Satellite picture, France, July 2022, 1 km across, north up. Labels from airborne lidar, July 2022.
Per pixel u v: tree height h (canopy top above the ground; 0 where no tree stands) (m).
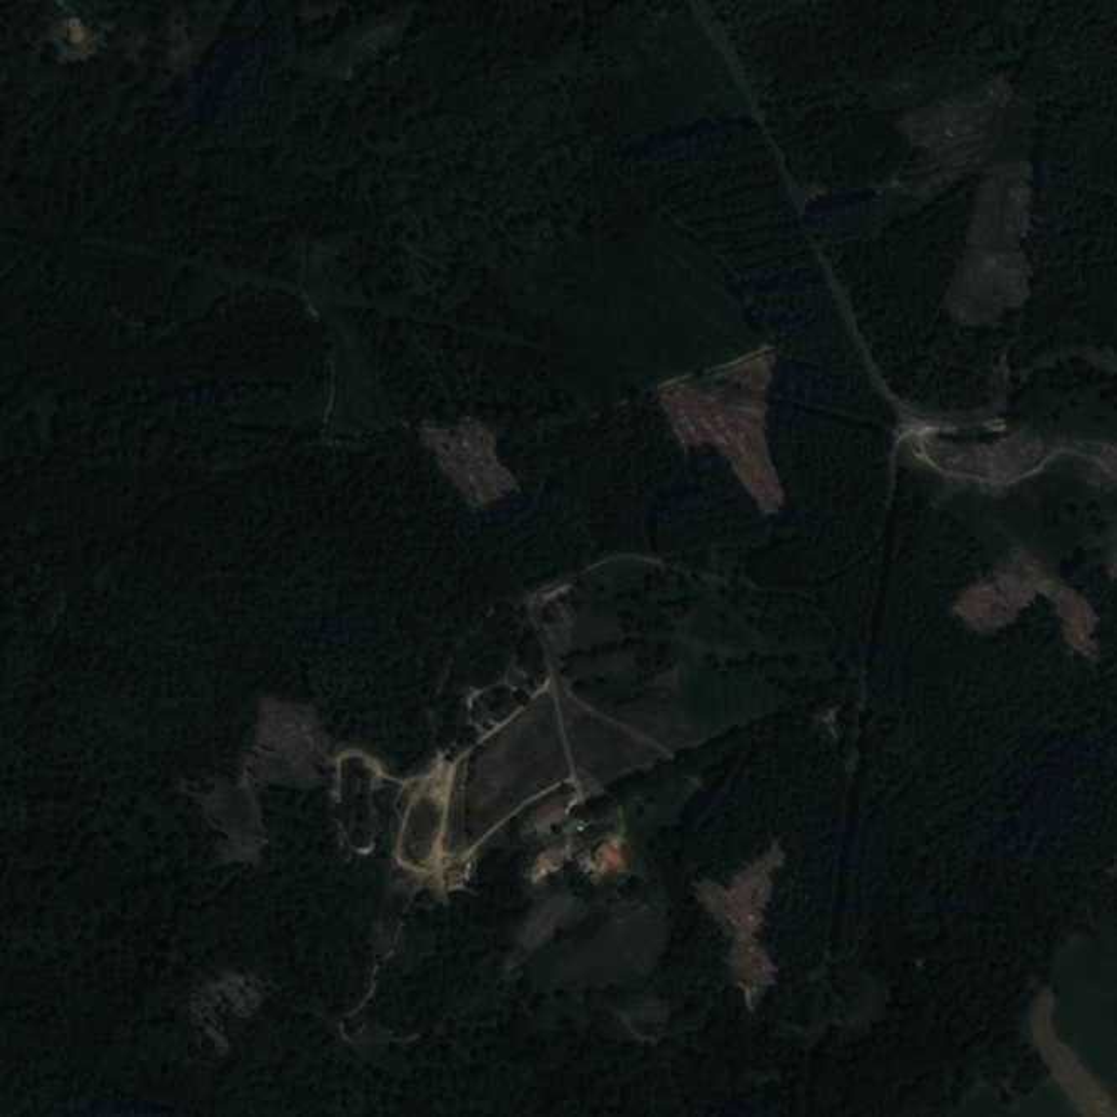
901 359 12
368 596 12
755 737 19
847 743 13
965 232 9
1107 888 12
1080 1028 0
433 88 18
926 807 25
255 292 8
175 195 28
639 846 0
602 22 20
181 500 12
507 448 21
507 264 17
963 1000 26
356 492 10
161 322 18
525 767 0
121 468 10
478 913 16
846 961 15
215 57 18
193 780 22
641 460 6
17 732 20
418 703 11
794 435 26
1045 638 21
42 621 25
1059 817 23
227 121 37
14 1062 20
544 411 21
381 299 9
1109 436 0
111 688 9
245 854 0
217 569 6
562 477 9
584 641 0
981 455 0
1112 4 35
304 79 19
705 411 0
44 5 19
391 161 10
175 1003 23
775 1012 19
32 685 8
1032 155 0
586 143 10
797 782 29
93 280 7
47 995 12
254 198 18
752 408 0
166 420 18
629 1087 23
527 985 12
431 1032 14
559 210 18
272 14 18
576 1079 7
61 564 10
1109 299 20
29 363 13
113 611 8
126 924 22
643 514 7
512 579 9
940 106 0
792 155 14
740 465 0
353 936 11
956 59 7
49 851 21
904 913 23
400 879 0
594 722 0
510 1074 17
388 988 6
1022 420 18
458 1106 13
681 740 0
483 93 24
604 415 6
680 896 9
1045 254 26
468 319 8
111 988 11
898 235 16
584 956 0
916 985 19
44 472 19
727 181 19
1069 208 14
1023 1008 12
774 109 15
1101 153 5
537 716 0
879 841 22
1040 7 18
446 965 12
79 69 18
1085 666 19
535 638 18
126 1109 39
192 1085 14
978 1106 0
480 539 8
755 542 15
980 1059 18
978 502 0
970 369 17
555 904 0
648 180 19
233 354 9
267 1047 22
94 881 7
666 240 0
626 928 0
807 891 24
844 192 9
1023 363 14
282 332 7
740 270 16
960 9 9
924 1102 14
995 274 0
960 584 16
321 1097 13
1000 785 21
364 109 11
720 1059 25
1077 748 14
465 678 11
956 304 0
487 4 13
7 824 25
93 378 8
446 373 15
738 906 0
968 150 0
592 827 7
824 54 10
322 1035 10
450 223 19
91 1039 13
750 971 0
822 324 30
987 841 12
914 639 25
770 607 19
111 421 23
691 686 0
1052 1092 0
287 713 0
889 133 12
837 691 10
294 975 14
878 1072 23
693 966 28
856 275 10
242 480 11
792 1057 19
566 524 26
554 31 15
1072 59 22
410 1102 14
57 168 20
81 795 9
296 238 23
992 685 20
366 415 0
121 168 20
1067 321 18
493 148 15
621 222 7
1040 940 14
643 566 0
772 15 9
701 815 27
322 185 15
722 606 0
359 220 22
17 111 16
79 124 22
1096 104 26
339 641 9
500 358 8
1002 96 0
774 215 19
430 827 0
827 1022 0
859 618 28
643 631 17
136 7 9
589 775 0
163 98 11
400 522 9
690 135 23
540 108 8
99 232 7
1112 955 0
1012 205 0
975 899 19
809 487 27
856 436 28
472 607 9
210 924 23
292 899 13
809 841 27
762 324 33
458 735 7
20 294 6
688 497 26
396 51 14
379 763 0
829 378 27
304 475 10
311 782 0
